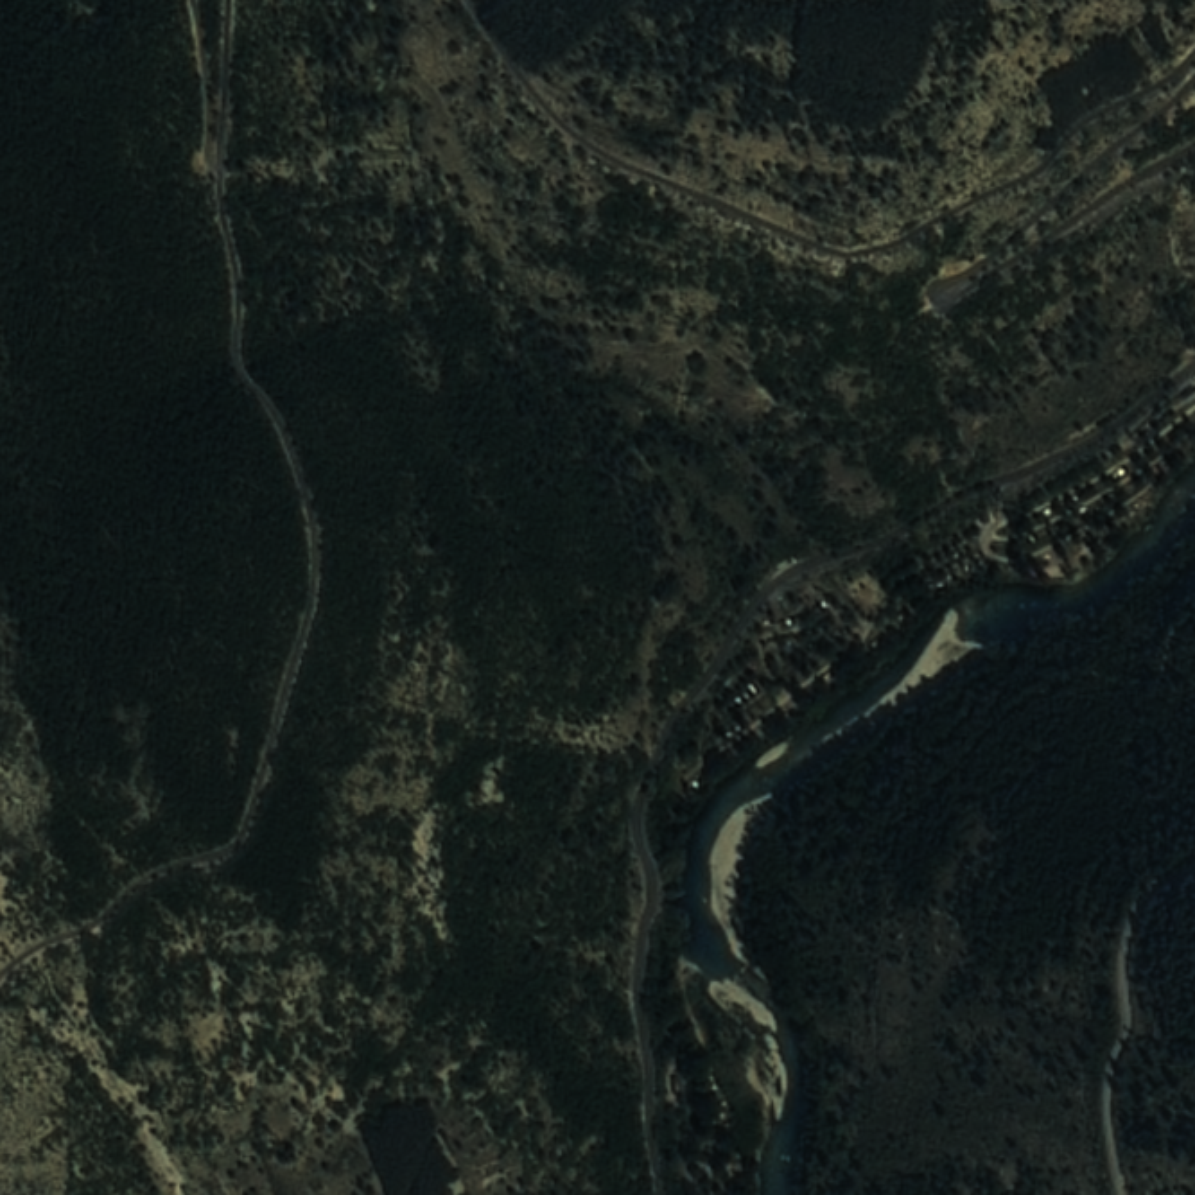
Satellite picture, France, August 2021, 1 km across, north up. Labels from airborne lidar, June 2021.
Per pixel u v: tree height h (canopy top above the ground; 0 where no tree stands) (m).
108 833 8
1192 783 6
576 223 8
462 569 8
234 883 6
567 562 8
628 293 7
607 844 7
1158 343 7
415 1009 8
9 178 9
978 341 7
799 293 6
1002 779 6
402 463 7
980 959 9
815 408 8
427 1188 15
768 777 0
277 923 6
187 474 10
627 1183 8
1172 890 10
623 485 6
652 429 11
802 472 11
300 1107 5
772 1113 0
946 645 0
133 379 7
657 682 9
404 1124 16
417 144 8
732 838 0
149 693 8
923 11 24
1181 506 0
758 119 10
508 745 7
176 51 7
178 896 7
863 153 15
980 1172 6
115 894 6
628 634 8
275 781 8
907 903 8
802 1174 6
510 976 6
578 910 8
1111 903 7
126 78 7
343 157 12
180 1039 7
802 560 0
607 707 7
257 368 14
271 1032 7
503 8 17
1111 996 13
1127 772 7
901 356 7
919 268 8
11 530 12
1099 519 11
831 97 19
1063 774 8
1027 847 9
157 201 7
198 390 11
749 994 0
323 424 7
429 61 0
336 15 14
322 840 7
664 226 8
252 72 6
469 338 6
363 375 7
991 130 6
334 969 7
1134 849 15
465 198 8
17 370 9
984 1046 6
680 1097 12
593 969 10
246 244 8
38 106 7
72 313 9
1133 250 11
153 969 6
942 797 10
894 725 14
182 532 8
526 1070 6
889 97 18
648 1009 15
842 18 23
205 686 7
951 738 11
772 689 12
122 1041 6
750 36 11
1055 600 0
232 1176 11
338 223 7
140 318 7
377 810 6
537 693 9
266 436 7
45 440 8
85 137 9
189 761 7
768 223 0
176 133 7
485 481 7
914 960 6
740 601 10
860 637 7
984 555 9
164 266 7
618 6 20
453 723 10
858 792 8
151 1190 9
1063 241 9
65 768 8
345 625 7
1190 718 12
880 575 14
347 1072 6
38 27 11
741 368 6
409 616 8
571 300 8
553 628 8
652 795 17
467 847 10
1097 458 8
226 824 6
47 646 9
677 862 17
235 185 9
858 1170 14
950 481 10
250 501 9
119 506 7
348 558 6
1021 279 10
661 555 11
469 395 9
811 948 7
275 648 6
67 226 8
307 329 8
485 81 10
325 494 7
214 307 6
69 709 9
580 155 8
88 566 11
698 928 0
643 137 8
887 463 10
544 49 18
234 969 7
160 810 6
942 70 11
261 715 6
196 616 8
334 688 7
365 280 6
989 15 9
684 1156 19
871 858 7
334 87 6
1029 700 7
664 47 14
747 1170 9
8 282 8
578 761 11
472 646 9
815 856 6
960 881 7
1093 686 6
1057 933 7
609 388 8
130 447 11
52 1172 0
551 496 7
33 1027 9
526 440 6
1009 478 0
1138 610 8
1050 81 10
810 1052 17
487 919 7
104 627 10
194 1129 9
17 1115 0
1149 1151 12
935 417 8
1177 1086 18
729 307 7
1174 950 13
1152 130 8
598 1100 11
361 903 7
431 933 8
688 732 10
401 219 6
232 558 7
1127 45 12
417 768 7
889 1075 14
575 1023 9
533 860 6
